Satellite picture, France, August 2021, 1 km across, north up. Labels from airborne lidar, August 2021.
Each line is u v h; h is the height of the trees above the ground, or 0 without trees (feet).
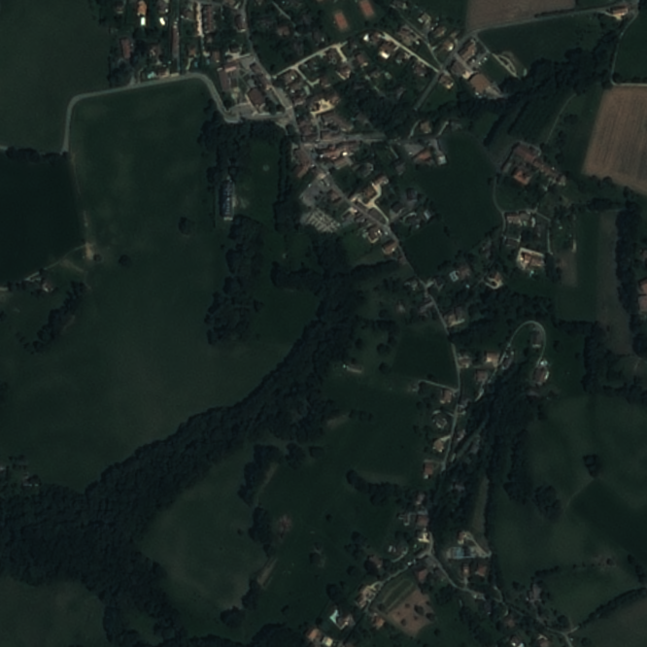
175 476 89
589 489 0
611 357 56
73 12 0
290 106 0
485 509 0
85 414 0
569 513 0
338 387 0
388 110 44
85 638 0
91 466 0
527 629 39
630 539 0
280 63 0
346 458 0
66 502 94
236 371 0
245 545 0
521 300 75
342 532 0
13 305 0
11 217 0
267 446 0
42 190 0
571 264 0
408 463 0
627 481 0
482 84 0
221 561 0
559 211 25
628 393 56
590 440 0
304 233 51
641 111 0
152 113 0
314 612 0
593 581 0
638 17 0
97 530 94
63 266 0
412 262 34
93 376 0
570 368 0
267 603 0
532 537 0
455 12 0
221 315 68
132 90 0
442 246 0
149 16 39
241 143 65
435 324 0
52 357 0
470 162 0
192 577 0
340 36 0
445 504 39
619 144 0
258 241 77
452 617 0
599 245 0
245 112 0
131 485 112
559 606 0
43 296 45
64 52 0
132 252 0
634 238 64
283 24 29
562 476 0
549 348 0
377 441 0
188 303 0
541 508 46
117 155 0
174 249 0
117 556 105
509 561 0
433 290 47
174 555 0
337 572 0
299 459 84
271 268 0
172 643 53
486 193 0
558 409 0
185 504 0
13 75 0
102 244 0
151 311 0
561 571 31
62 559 109
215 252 0
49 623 0
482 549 0
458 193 0
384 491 60
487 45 0
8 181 0
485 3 0
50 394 0
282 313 0
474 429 22
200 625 0
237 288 77
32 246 0
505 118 43
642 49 0
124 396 0
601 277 0
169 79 0
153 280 0
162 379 0
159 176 0
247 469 0
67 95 0
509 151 0
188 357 0
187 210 0
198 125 0
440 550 22
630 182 0
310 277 77
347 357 49
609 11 24
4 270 0
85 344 0
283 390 41
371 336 0
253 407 79
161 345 0
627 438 0
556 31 0
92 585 99
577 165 0
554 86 46
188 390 0
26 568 82
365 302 47
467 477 52
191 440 101
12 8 0
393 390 0
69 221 0
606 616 30
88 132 0
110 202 0
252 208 0
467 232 0
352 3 0
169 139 0
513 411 74
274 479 0
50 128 0
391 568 52
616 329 0
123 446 0
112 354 0
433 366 0
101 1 50
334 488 0
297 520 0
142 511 99
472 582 38
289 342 0
